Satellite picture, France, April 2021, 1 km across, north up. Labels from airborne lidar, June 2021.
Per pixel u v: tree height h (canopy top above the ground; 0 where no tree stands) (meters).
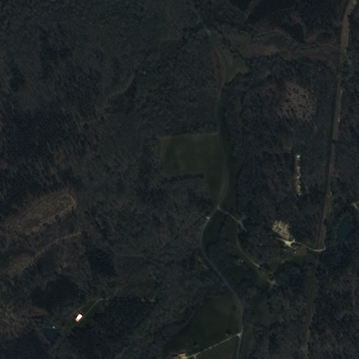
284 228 0
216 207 0
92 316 0
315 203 18
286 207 21
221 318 0
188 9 19
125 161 21
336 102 0
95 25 15
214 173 0
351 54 16
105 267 21
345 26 0
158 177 22
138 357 9
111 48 18
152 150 21
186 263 19
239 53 11
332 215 13
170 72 9
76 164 13
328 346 18
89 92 18
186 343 0
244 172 15
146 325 25
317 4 19
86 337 21
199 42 22
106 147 16
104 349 21
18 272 0
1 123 9
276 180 12
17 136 17
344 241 5
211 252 19
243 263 7
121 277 9
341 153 16
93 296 13
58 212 0
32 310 0
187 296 19
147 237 21
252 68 18
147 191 15
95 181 21
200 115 10
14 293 21
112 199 20
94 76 16
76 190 13
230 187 0
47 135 17
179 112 11
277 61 13
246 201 20
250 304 15
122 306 6
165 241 15
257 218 15
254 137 19
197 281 26
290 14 6
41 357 10
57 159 13
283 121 16
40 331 7
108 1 21
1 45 17
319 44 13
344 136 16
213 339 0
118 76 15
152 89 14
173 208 16
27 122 18
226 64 0
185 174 0
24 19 16
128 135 17
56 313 13
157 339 20
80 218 16
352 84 15
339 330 10
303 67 22
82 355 22
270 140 11
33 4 18
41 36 15
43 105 15
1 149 9
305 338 0
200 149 0
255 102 24
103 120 16
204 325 0
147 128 13
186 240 15
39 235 0
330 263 20
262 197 16
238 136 17
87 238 26
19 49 18
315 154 20
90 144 16
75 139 21
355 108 7
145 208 15
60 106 15
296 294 21
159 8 20
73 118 18
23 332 12
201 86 9
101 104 17
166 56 8
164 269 16
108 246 7
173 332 14
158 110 14
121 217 20
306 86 29
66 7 18
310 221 25
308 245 14
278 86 18
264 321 0
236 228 0
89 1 23
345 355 6
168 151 0
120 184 17
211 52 17
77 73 16
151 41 21
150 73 17
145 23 19
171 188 18
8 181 18
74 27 21
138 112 18
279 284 20
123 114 17
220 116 0
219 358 0
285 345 21
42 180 10
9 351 7
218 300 0
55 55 25
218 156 0
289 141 17
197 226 19
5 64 17
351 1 0
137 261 8
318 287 15
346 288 13
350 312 10
